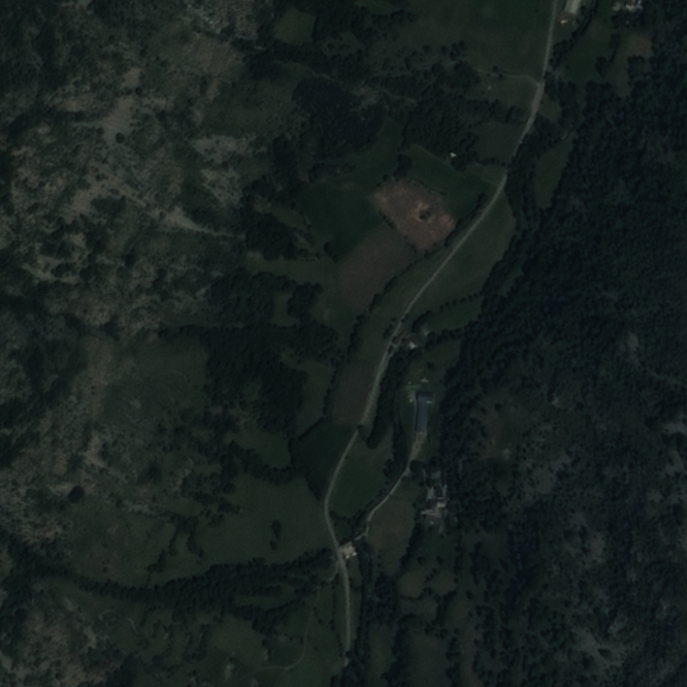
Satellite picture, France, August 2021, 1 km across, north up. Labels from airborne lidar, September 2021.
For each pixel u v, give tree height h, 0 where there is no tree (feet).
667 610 18
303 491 0
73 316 21
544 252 41
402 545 0
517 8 0
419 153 0
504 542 0
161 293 20
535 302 21
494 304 58
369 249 0
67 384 37
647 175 27
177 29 0
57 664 22
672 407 33
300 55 47
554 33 0
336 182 0
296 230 28
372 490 0
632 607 21
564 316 80
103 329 25
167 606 24
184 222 0
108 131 0
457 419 36
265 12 20
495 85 0
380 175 0
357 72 44
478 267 0
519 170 62
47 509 20
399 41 0
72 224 20
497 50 0
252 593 21
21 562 57
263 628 39
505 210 0
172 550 29
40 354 31
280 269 0
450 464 22
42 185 21
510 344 29
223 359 42
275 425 78
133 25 20
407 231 0
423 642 0
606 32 0
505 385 55
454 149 26
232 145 0
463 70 59
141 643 21
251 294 28
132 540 0
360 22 63
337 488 0
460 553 33
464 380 57
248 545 0
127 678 50
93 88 22
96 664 31
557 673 34
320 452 0
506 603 0
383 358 0
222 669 0
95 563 0
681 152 56
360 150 30
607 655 52
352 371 0
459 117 32
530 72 0
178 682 0
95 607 0
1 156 38
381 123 23
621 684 18
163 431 47
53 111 26
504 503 21
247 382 45
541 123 39
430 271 0
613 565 21
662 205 53
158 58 24
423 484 34
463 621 0
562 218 20
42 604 36
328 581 0
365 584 36
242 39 45
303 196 0
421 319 39
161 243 0
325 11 58
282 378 65
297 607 21
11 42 27
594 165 50
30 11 32
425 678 0
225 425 37
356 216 0
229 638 0
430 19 0
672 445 46
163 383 0
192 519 22
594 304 41
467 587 0
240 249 32
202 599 31
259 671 0
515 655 29
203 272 23
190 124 24
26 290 24
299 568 35
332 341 52
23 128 33
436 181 0
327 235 0
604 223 20
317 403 0
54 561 35
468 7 0
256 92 22
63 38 24
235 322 23
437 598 33
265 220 62
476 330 75
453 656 53
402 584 0
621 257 35
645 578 21
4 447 28
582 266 67
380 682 0
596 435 18
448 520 46
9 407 40
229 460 69
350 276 0
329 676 0
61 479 19
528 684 44
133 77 0
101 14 23
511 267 56
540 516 54
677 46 23
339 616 0
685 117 22
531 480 22
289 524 0
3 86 34
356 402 0
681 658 20
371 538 0
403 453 61
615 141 43
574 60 0
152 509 17
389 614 60
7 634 19
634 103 30
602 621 18
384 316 0
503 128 0
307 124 26
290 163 90
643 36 0
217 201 21
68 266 44
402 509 0
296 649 0
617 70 0
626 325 24
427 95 52
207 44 0
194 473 18
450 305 36
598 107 46
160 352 0
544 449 20
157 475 69
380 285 0
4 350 18
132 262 48
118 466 0
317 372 0
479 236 0
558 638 44
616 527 40
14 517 27
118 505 18
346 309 0
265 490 0
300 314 43
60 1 37
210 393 31
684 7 38
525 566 68
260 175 0
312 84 26
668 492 24
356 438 0
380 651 0
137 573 0
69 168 23
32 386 22
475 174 0
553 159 0
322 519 0
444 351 0
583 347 20
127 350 0
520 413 0
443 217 0
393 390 75
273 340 39
